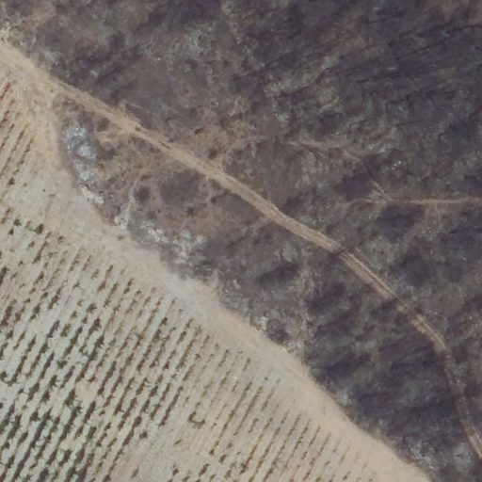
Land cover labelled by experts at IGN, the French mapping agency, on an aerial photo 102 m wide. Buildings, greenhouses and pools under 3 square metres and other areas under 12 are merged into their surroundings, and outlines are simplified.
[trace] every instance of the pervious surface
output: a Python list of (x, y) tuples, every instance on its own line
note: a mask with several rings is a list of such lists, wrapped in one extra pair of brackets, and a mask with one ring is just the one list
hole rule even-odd
[(482, 437), (476, 431), (476, 426), (467, 427), (465, 433), (469, 437), (461, 442), (458, 448), (454, 448), (454, 463), (459, 473), (471, 465), (469, 450), (474, 448), (476, 454), (482, 458)]
[(377, 273), (373, 273), (354, 254), (346, 254), (343, 262), (354, 273), (358, 273), (363, 281), (369, 282), (384, 299), (394, 297), (395, 292), (388, 282)]
[(427, 335), (427, 339), (435, 345), (437, 352), (444, 350), (446, 343), (441, 333), (427, 324), (424, 316), (416, 316), (412, 320), (412, 326)]
[(77, 113), (62, 107), (62, 102), (70, 98), (77, 104), (85, 105), (85, 109), (90, 113), (109, 120), (104, 132), (96, 132), (100, 143), (113, 147), (122, 141), (124, 136), (141, 137), (166, 156), (185, 164), (186, 168), (198, 171), (205, 179), (215, 179), (224, 188), (232, 190), (233, 194), (249, 201), (271, 222), (281, 224), (286, 230), (307, 241), (313, 241), (324, 249), (335, 250), (339, 247), (337, 241), (328, 237), (326, 233), (311, 230), (305, 224), (297, 222), (296, 218), (284, 215), (279, 207), (275, 207), (271, 201), (264, 200), (249, 185), (228, 175), (224, 171), (224, 166), (215, 158), (196, 158), (177, 143), (171, 143), (164, 134), (156, 134), (143, 128), (134, 117), (126, 115), (126, 107), (120, 102), (111, 107), (102, 100), (90, 96), (85, 90), (64, 85), (62, 94), (53, 100), (53, 113), (60, 122), (58, 128), (68, 130), (70, 126), (79, 126)]

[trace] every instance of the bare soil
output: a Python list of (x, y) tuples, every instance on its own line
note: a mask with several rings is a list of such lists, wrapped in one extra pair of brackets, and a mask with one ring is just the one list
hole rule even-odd
[[(68, 130), (58, 128), (58, 169), (66, 169), (70, 173), (73, 188), (87, 188), (104, 198), (102, 203), (92, 203), (92, 207), (107, 224), (113, 226), (115, 217), (119, 217), (122, 209), (126, 207), (132, 211), (128, 232), (132, 239), (137, 241), (137, 249), (158, 250), (160, 260), (171, 273), (177, 273), (181, 279), (207, 282), (213, 275), (213, 269), (217, 269), (217, 296), (220, 305), (241, 318), (249, 318), (252, 328), (262, 331), (273, 343), (284, 346), (288, 354), (303, 361), (314, 382), (328, 392), (333, 403), (345, 412), (346, 418), (352, 424), (356, 424), (373, 439), (390, 446), (399, 458), (426, 474), (429, 482), (482, 482), (482, 458), (476, 454), (474, 448), (469, 450), (471, 465), (459, 473), (454, 463), (454, 448), (458, 448), (461, 442), (469, 437), (465, 433), (467, 427), (476, 426), (476, 431), (482, 437), (482, 130), (473, 139), (448, 137), (444, 132), (452, 122), (467, 119), (473, 111), (473, 104), (465, 100), (465, 90), (458, 92), (454, 100), (435, 96), (407, 109), (407, 105), (390, 105), (380, 96), (369, 96), (369, 88), (375, 83), (373, 77), (380, 73), (378, 68), (345, 77), (346, 70), (352, 64), (360, 64), (367, 58), (380, 55), (388, 47), (388, 43), (378, 34), (380, 23), (363, 26), (358, 23), (361, 9), (358, 6), (346, 11), (341, 21), (335, 21), (329, 32), (320, 36), (320, 41), (314, 47), (303, 51), (290, 72), (282, 68), (279, 60), (273, 62), (273, 66), (264, 64), (260, 58), (254, 56), (254, 51), (258, 49), (258, 40), (245, 36), (245, 32), (249, 26), (256, 26), (262, 30), (273, 26), (277, 21), (286, 21), (288, 6), (294, 0), (224, 0), (220, 6), (222, 11), (213, 21), (196, 23), (196, 28), (190, 34), (169, 32), (168, 24), (160, 23), (153, 28), (149, 36), (134, 36), (134, 26), (147, 21), (149, 13), (154, 11), (158, 4), (166, 4), (166, 0), (0, 0), (0, 28), (4, 24), (9, 24), (9, 43), (26, 58), (34, 60), (38, 68), (45, 70), (64, 85), (85, 90), (90, 96), (102, 100), (111, 107), (120, 102), (126, 107), (126, 115), (134, 117), (143, 128), (156, 134), (164, 134), (171, 143), (177, 143), (196, 158), (215, 158), (224, 166), (224, 171), (228, 175), (249, 185), (264, 200), (271, 201), (275, 207), (279, 207), (284, 215), (296, 218), (297, 222), (305, 224), (311, 230), (326, 233), (328, 237), (337, 241), (339, 247), (335, 250), (324, 249), (313, 241), (307, 241), (286, 230), (281, 224), (271, 222), (249, 201), (233, 194), (232, 190), (224, 188), (215, 179), (205, 179), (198, 171), (186, 168), (185, 164), (166, 156), (141, 137), (124, 136), (122, 141), (113, 147), (100, 143), (96, 132), (104, 132), (109, 120), (90, 113), (85, 109), (85, 105), (77, 104), (70, 98), (62, 102), (62, 107), (77, 113), (79, 126), (70, 126)], [(354, 273), (343, 262), (346, 254), (354, 254), (373, 273), (377, 273), (388, 282), (395, 292), (394, 297), (384, 299), (369, 282), (363, 281), (358, 273)], [(412, 320), (416, 316), (424, 316), (427, 324), (441, 333), (446, 343), (444, 350), (437, 352), (435, 345), (427, 339), (427, 335), (412, 326)]]

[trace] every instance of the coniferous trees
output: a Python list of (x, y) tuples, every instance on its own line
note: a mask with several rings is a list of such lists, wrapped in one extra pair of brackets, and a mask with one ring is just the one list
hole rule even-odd
[(465, 90), (465, 100), (473, 104), (473, 111), (467, 119), (452, 122), (444, 132), (448, 137), (473, 139), (482, 130), (482, 0), (294, 0), (288, 6), (286, 21), (277, 21), (273, 26), (262, 30), (256, 26), (249, 26), (245, 32), (245, 36), (258, 40), (258, 49), (254, 51), (254, 56), (260, 58), (264, 64), (273, 66), (273, 62), (279, 60), (282, 68), (290, 72), (303, 51), (314, 47), (320, 41), (320, 36), (329, 32), (335, 21), (341, 21), (346, 11), (358, 6), (361, 9), (358, 23), (363, 26), (380, 23), (378, 34), (388, 43), (388, 47), (380, 55), (367, 58), (360, 64), (352, 64), (346, 70), (345, 77), (378, 68), (380, 73), (373, 77), (375, 83), (369, 88), (369, 96), (380, 96), (390, 105), (407, 105), (407, 109), (435, 96), (454, 100), (458, 92)]
[(158, 4), (154, 11), (149, 13), (147, 21), (134, 26), (134, 36), (149, 36), (153, 28), (160, 23), (168, 24), (169, 32), (190, 34), (196, 28), (196, 23), (213, 21), (222, 11), (220, 6), (224, 0), (166, 0), (166, 4)]

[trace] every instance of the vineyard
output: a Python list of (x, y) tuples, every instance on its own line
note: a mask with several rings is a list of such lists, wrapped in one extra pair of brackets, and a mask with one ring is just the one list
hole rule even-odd
[(115, 217), (113, 226), (107, 224), (92, 207), (92, 203), (102, 203), (104, 198), (87, 188), (73, 188), (70, 173), (66, 169), (58, 169), (58, 128), (60, 122), (53, 113), (53, 100), (62, 94), (64, 85), (45, 70), (38, 68), (34, 60), (26, 58), (9, 43), (9, 24), (4, 24), (0, 28), (0, 482), (429, 482), (426, 474), (399, 458), (390, 446), (373, 439), (356, 424), (352, 424), (346, 418), (345, 412), (333, 403), (328, 392), (314, 382), (303, 361), (288, 354), (284, 346), (273, 343), (262, 331), (252, 328), (249, 318), (241, 318), (220, 305), (217, 296), (217, 269), (213, 269), (213, 275), (207, 282), (181, 279), (177, 273), (171, 273), (160, 260), (158, 250), (137, 249), (137, 241), (132, 239), (128, 232), (132, 211), (126, 207), (122, 209), (119, 217)]

